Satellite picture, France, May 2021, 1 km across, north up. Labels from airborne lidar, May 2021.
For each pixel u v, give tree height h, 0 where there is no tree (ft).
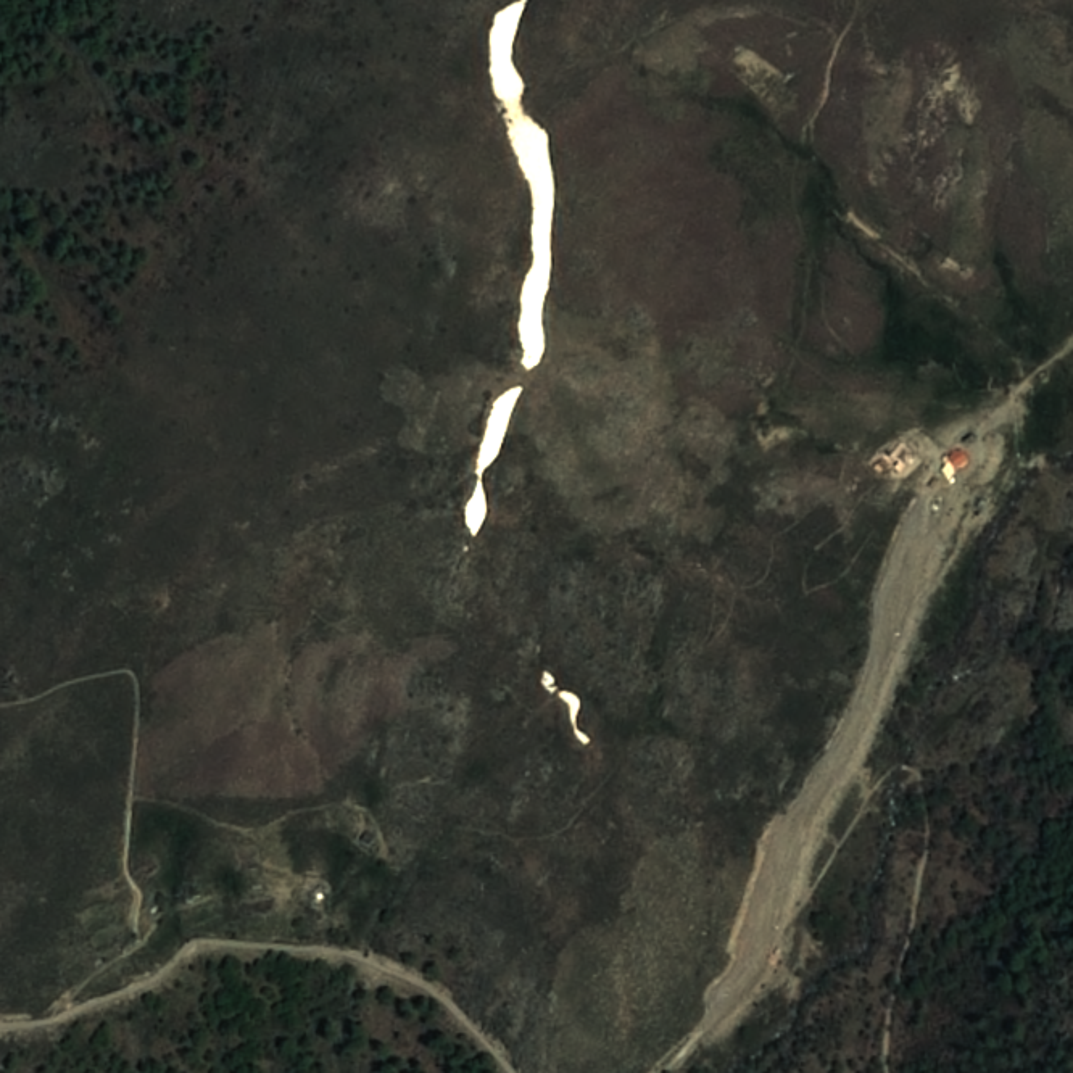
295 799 0
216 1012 36
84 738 0
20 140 0
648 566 0
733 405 0
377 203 0
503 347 0
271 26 0
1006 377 0
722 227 0
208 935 0
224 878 0
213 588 0
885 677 0
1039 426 0
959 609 0
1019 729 0
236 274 0
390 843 0
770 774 0
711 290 0
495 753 0
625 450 0
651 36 0
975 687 0
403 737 0
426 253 0
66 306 0
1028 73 0
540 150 0
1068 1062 60
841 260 0
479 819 0
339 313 0
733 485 0
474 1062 32
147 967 0
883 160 0
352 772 0
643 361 0
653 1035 0
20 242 68
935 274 0
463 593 0
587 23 0
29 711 0
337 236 0
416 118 0
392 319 0
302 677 0
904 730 26
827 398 0
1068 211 0
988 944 30
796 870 0
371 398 0
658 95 0
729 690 0
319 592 0
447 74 0
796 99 0
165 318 0
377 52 0
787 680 0
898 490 0
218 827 0
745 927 0
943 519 0
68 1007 0
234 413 0
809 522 0
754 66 0
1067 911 83
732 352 0
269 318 0
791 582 0
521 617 0
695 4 0
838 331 0
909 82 0
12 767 0
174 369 0
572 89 0
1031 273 0
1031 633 52
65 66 39
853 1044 0
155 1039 0
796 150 0
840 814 0
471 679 0
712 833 0
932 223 0
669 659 0
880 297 0
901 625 0
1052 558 0
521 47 0
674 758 0
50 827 0
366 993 74
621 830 0
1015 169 0
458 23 0
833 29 0
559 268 0
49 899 0
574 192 0
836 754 0
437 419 0
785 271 0
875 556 0
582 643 0
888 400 0
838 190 0
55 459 0
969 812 42
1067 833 58
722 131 0
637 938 0
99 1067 33
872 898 27
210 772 0
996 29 0
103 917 0
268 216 0
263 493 0
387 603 0
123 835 0
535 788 0
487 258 0
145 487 0
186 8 0
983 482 0
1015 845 56
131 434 0
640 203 0
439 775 0
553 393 0
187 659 0
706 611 0
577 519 0
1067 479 0
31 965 0
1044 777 27
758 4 0
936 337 0
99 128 0
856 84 0
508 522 0
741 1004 0
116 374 0
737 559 0
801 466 0
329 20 0
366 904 0
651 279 0
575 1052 0
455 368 0
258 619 0
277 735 0
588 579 0
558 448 0
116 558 0
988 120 0
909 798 39
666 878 0
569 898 0
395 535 0
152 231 0
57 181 0
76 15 57
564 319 0
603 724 0
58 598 0
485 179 0
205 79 24
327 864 0
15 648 0
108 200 67
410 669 0
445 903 0
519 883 0
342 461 0
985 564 29
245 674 0
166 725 0
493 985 0
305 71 0
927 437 0
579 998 0
